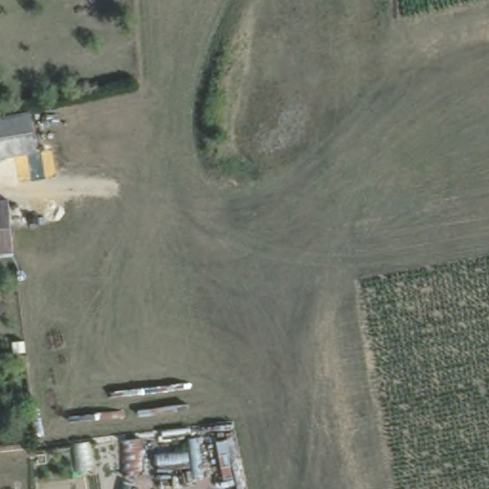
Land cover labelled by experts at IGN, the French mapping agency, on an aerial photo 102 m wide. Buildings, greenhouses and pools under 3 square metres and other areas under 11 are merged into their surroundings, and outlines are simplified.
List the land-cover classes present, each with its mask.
<instances>
[{"label":"agricultural land","instance_id":"1","mask_svg":"<svg viewBox=\"0 0 489 489\"><path fill-rule=\"evenodd\" d=\"M126 8L138 15L139 23L138 34L130 42L122 38L124 32L120 31V27L113 21L118 15H126ZM212 36L227 44L223 53L222 74L218 82V88L223 90L225 96V105L218 109V126L222 128L220 134L214 139H208L206 149L199 151L195 143L193 113ZM46 63H52L55 67L74 69L82 76H92L90 84L97 88H118L132 84L136 80L138 90L122 96L97 99L84 105L61 107L50 113H34L31 117L32 122L40 124V130H34L36 149L44 151V145H52L55 166L61 172V176L117 181L118 193L115 197H74L65 202V214L59 222L48 223L40 216L36 222H25L23 227H19L15 229L13 258L4 260L0 256V330L4 334H15L19 338V342H13V351H17L19 359L25 363L27 386L32 401L42 403L40 418L44 420V439H59L74 434H90L94 439L105 436L117 437L120 430H132L136 436L145 432H166L180 428L199 430L206 426L235 424L246 489H395L392 451L388 447L384 409L378 397V386L386 384V378L376 376L374 372L367 308L363 306L361 283L357 279L359 269L386 266L390 271L416 267L432 269L436 264H453L458 260L470 262L479 256L489 254V0H470L447 6L443 10L401 15L399 0H0V67L6 73L15 74L21 69L42 71ZM185 382L191 384V390H185L178 395L136 399H115L111 395L120 390L172 386Z\"/></svg>","mask_w":489,"mask_h":489},{"label":"vineyard","instance_id":"2","mask_svg":"<svg viewBox=\"0 0 489 489\"><path fill-rule=\"evenodd\" d=\"M470 0H399L401 15L443 10L447 6ZM357 279L361 283L363 306L367 308L374 372L376 376L386 378V384L378 386V397L384 409L388 447L392 451L395 489H489V254L479 256L470 262L458 260L453 264H436L432 269L416 267L390 271L386 266L359 269Z\"/></svg>","mask_w":489,"mask_h":489},{"label":"pervious surface","instance_id":"3","mask_svg":"<svg viewBox=\"0 0 489 489\"><path fill-rule=\"evenodd\" d=\"M118 193L117 181L61 176V172L55 166L52 145H44V151L36 149L29 159L10 157L0 162V195L4 199L15 201V208L8 210L6 214L8 223L19 227H23L25 222H36L40 216L48 223L59 222L65 214V202L74 197H115ZM136 436L132 430H120L117 437L105 436L94 439L88 443L94 457L92 470L88 472L80 466L73 478L61 479L52 476L48 479H38L34 483V489H216V483L210 481L212 468L208 466L206 458L201 460L204 478L197 479L195 472H189L187 483L183 485L178 481L174 485H160L157 458L187 453L191 449L189 436H181V439L172 443H160L159 447L145 451L134 441Z\"/></svg>","mask_w":489,"mask_h":489},{"label":"deciduous trees","instance_id":"4","mask_svg":"<svg viewBox=\"0 0 489 489\"><path fill-rule=\"evenodd\" d=\"M113 21L120 27V31L124 32L122 38L130 42L138 34L139 23L138 15L126 8V15H118ZM92 76H82L74 69L55 67L52 63H46L42 71L21 69L15 74L6 73L0 67V120L34 113H50L61 107L57 99L65 101L67 97L90 94L97 88L90 84ZM13 342H19V338L15 334H4L0 330V449L23 447L25 451L40 453L38 445L44 439V420L40 418L42 403L32 401L27 386L25 363L19 359L17 351H13Z\"/></svg>","mask_w":489,"mask_h":489},{"label":"impervious surface","instance_id":"5","mask_svg":"<svg viewBox=\"0 0 489 489\"><path fill-rule=\"evenodd\" d=\"M185 390H191V384L185 382L172 386L120 390L111 395L115 399H136L178 395ZM181 436H189L191 449L187 453L157 458L160 485H174L178 481L183 485L187 483L189 472H195L197 479L204 478L201 460L206 458L208 466L212 468L210 481L216 483V489H246L235 424L206 426L199 430L180 428L166 432H145L136 436L134 441L145 451L159 447L160 443H172L181 439Z\"/></svg>","mask_w":489,"mask_h":489},{"label":"herbaceous vegetation","instance_id":"6","mask_svg":"<svg viewBox=\"0 0 489 489\"><path fill-rule=\"evenodd\" d=\"M94 439L90 434H74L59 439H44L38 445L40 453L25 451L23 447L0 449V489H34V483L38 479H48L52 476L61 479L73 478L80 466L78 445L88 443Z\"/></svg>","mask_w":489,"mask_h":489},{"label":"brushwood","instance_id":"7","mask_svg":"<svg viewBox=\"0 0 489 489\"><path fill-rule=\"evenodd\" d=\"M227 44L212 36L193 113L195 143L199 151L206 149L208 139H214L220 134L222 128L218 126V109L225 105V96L223 90L218 88V82L222 74L223 53ZM138 90L136 80L132 84L118 88H97L90 94L67 97L65 101L57 99L61 107L84 105L97 99L122 96Z\"/></svg>","mask_w":489,"mask_h":489},{"label":"building","instance_id":"8","mask_svg":"<svg viewBox=\"0 0 489 489\"><path fill-rule=\"evenodd\" d=\"M34 113L0 120V162L10 157L29 159L36 149L34 130H40V124L32 122L31 117ZM15 208V201L4 199L0 195V256L4 260L13 258L15 229L19 227L8 223L6 214L8 210Z\"/></svg>","mask_w":489,"mask_h":489},{"label":"greenhouse","instance_id":"9","mask_svg":"<svg viewBox=\"0 0 489 489\"><path fill-rule=\"evenodd\" d=\"M94 457L88 443L78 445L80 466L88 472L92 470Z\"/></svg>","mask_w":489,"mask_h":489}]
</instances>
